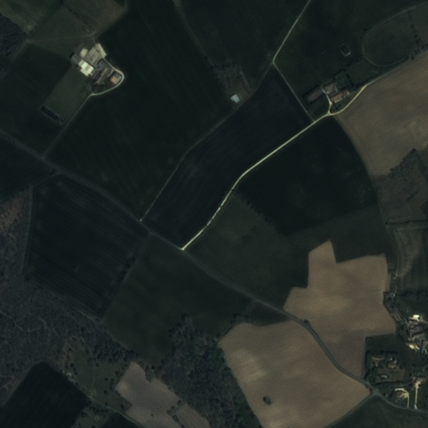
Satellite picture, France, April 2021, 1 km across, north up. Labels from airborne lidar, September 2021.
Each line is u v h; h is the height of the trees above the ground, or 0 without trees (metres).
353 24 0
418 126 0
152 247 0
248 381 0
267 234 0
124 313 0
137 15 0
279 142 0
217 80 11
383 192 0
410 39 0
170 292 0
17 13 0
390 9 0
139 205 0
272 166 0
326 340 0
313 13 0
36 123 0
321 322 0
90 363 12
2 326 6
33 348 17
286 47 0
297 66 0
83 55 0
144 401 0
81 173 0
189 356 15
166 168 0
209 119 0
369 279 0
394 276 0
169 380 15
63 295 0
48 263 0
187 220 0
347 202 0
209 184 0
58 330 11
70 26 0
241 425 10
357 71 0
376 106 0
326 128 0
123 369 10
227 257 0
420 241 0
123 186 0
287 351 0
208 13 0
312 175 0
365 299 0
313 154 0
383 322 0
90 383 0
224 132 0
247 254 0
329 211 0
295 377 0
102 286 0
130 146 0
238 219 0
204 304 0
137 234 0
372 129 0
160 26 0
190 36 0
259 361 0
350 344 0
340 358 0
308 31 0
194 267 0
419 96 0
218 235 0
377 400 0
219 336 10
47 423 0
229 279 0
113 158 0
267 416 0
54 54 0
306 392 0
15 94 0
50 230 0
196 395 20
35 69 0
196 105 0
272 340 0
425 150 0
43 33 0
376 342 0
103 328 16
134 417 0
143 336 0
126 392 0
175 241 0
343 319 0
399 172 13
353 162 0
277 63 0
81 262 0
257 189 0
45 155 0
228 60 0
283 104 0
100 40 0
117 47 0
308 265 0
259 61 0
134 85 0
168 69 0
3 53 8
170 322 0
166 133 0
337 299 0
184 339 18
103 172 0
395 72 0
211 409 17
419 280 0
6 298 19
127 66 0
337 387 0
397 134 0
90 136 0
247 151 0
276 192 0
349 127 0
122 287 0
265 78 0
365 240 0
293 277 0
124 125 0
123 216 0
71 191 0
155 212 0
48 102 0
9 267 11
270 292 0
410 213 0
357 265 0
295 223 0
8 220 5
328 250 0
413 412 0
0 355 12
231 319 0
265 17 0
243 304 0
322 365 0
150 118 0
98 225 0
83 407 0
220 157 0
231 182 0
